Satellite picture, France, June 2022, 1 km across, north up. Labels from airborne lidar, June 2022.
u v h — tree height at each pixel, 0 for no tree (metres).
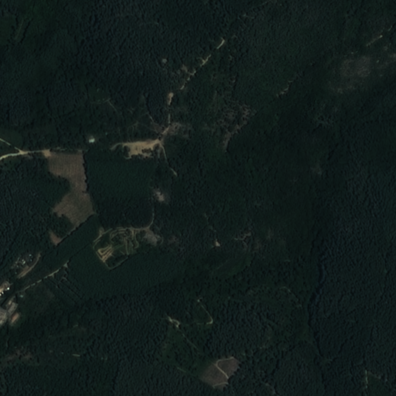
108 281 23
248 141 31
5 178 11
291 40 18
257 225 20
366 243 27
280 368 29
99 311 17
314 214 20
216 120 20
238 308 8
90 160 19
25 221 18
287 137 30
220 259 15
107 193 21
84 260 20
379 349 20
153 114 19
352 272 35
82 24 33
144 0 23
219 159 20
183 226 27
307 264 10
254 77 18
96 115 11
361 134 26
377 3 24
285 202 16
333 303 31
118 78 25
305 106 26
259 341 23
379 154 17
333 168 16
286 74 21
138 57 24
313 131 19
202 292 13
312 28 20
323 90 20
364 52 15
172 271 20
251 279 13
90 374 13
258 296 11
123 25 23
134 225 11
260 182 17
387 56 10
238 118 22
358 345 15
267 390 28
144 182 20
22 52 27
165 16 17
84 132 15
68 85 29
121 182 21
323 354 26
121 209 14
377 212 23
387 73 10
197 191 31
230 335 26
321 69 21
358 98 16
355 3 19
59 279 17
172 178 8
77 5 22
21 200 15
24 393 11
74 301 22
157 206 18
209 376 0
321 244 13
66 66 20
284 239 9
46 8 16
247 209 18
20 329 10
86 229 22
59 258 21
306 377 32
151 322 16
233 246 16
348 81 7
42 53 25
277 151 30
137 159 12
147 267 20
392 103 18
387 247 24
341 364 19
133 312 26
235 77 6
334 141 18
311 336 6
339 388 24
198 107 22
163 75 18
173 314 19
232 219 21
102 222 14
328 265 30
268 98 19
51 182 17
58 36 39
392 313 24
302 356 26
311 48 23
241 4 14
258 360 16
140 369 24
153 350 12
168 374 23
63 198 17
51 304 11
